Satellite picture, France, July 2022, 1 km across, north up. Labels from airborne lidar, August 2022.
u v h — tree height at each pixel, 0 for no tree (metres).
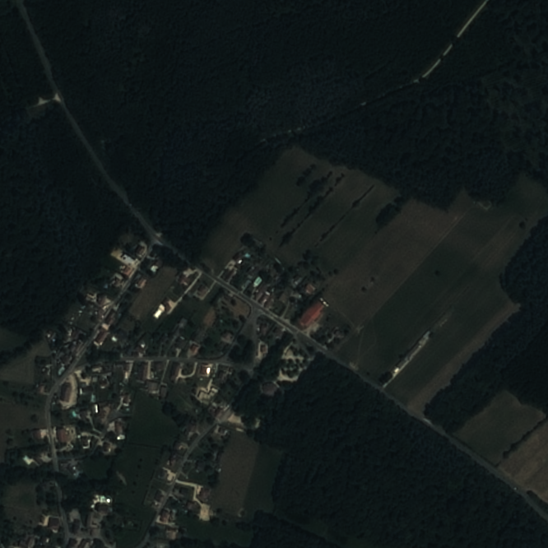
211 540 0
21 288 21
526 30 23
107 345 0
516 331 21
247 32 10
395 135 24
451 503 22
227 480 0
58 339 9
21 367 0
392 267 0
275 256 0
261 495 0
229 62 13
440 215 0
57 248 20
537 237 20
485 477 19
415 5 9
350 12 13
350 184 0
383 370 0
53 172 23
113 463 6
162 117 12
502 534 23
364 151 23
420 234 0
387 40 8
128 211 20
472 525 18
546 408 12
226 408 0
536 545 21
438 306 0
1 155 27
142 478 0
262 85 13
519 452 0
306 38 11
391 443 20
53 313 20
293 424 23
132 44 11
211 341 11
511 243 0
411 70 7
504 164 24
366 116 20
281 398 20
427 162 23
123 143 17
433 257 0
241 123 11
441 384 0
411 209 0
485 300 0
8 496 0
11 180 23
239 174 19
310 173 13
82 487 21
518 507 16
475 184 26
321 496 21
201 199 22
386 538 22
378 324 0
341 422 24
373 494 20
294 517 7
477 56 8
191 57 11
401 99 11
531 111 26
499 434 0
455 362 0
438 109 28
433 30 8
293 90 15
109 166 17
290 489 19
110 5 9
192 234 20
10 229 21
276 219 0
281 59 17
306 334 0
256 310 0
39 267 19
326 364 18
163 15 12
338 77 11
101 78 14
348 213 0
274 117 20
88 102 13
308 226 0
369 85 13
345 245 0
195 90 13
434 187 24
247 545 0
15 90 9
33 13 18
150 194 21
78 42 19
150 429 0
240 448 0
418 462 19
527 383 18
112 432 7
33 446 10
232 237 0
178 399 0
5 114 9
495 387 15
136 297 0
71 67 20
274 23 11
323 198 11
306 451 23
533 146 22
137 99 9
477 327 0
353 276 0
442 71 9
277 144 10
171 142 22
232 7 16
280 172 0
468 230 0
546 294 33
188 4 14
